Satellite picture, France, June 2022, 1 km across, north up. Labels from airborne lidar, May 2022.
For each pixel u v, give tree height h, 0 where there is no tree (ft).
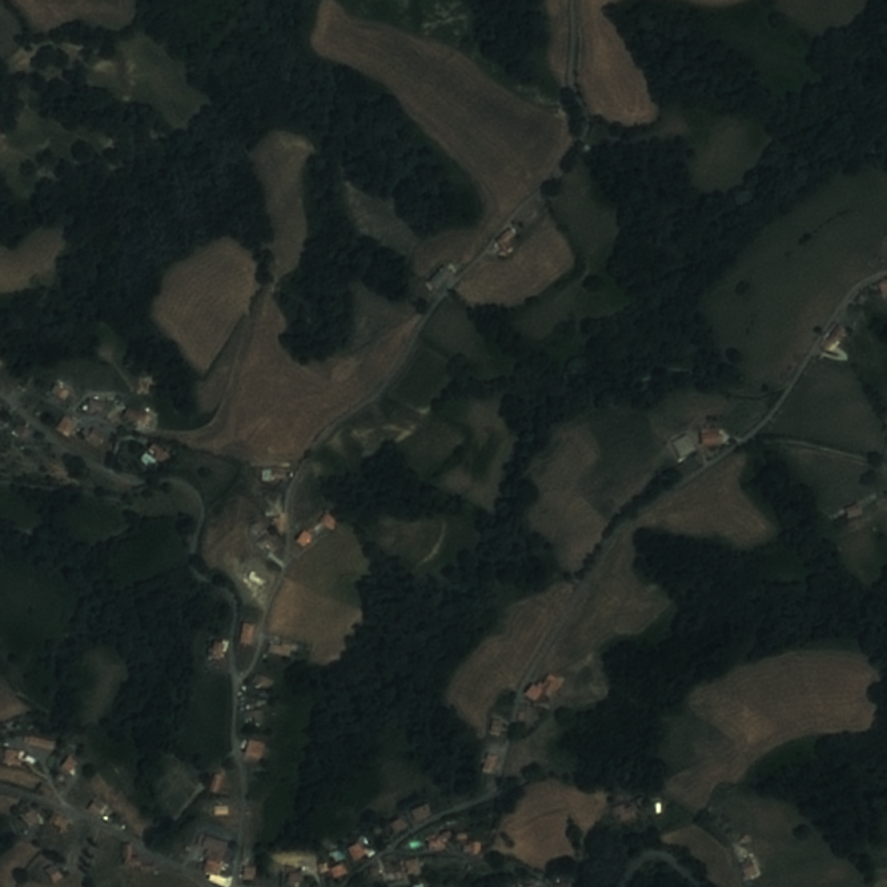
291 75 55
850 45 81
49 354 57
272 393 0
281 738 0
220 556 0
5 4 32
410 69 0
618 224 33
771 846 0
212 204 74
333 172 66
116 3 0
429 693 66
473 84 0
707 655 81
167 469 67
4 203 44
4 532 66
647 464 0
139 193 85
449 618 99
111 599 56
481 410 0
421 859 19
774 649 47
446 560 0
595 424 0
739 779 0
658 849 65
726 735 0
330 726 98
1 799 0
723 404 0
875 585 28
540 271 0
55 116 59
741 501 0
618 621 0
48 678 0
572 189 0
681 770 0
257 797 0
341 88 73
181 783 0
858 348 0
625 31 55
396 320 0
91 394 0
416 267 0
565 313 0
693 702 0
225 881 0
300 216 0
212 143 69
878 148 57
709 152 0
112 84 0
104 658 0
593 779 47
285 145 0
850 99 75
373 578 42
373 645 44
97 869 0
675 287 62
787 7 0
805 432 0
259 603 0
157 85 0
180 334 0
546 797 0
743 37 0
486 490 0
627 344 60
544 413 61
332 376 0
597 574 0
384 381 0
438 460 0
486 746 0
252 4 47
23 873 39
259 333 0
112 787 0
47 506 29
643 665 63
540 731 0
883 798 70
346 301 42
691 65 72
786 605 88
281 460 0
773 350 0
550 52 0
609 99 0
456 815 21
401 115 57
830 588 62
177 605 18
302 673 25
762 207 71
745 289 24
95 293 54
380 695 84
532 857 0
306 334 25
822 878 0
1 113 44
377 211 0
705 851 0
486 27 58
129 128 50
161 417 0
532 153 0
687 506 0
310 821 55
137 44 0
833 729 0
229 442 0
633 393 59
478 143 0
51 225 51
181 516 28
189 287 0
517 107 0
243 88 66
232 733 0
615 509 0
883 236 0
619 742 44
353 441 0
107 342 0
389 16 0
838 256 0
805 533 77
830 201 0
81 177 63
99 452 0
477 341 0
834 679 0
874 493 0
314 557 0
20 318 64
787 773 70
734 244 67
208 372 0
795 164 62
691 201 26
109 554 43
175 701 26
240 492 0
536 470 0
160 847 72
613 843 63
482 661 0
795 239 0
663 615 0
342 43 0
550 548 36
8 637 0
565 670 0
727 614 79
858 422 0
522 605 0
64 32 43
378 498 69
